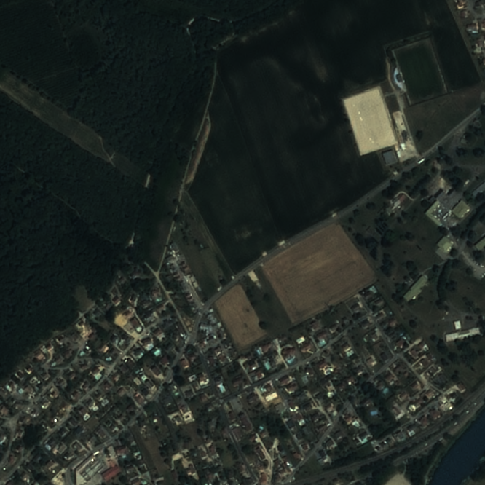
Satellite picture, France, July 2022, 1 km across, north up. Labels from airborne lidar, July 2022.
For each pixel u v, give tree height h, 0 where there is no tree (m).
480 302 0
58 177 17
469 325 0
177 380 17
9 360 20
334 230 0
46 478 9
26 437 11
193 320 0
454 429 0
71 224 23
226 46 18
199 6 22
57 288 19
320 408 0
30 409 0
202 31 22
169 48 17
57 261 17
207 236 0
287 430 9
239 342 0
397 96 0
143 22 24
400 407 0
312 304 0
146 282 12
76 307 12
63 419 0
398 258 0
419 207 0
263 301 0
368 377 11
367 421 9
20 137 23
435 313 0
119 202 16
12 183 22
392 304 0
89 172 16
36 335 15
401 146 0
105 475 0
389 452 0
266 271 0
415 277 13
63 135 14
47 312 19
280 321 0
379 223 20
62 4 16
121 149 15
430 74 0
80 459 0
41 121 18
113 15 22
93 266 24
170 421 0
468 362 34
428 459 9
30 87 12
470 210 0
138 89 13
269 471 0
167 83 23
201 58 22
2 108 25
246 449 14
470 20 0
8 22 6
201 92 17
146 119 20
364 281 0
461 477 0
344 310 0
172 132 22
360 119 0
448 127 0
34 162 21
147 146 22
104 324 0
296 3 20
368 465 10
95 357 14
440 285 15
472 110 0
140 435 0
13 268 22
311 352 0
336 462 8
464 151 19
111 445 0
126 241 17
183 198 0
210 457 0
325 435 0
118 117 14
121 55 14
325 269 0
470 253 0
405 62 0
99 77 20
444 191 0
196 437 0
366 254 0
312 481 0
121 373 6
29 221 22
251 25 25
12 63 7
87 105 16
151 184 7
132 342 0
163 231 0
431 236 0
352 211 0
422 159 0
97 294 11
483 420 0
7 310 19
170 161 17
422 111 0
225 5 20
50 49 5
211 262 0
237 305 0
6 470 0
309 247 0
